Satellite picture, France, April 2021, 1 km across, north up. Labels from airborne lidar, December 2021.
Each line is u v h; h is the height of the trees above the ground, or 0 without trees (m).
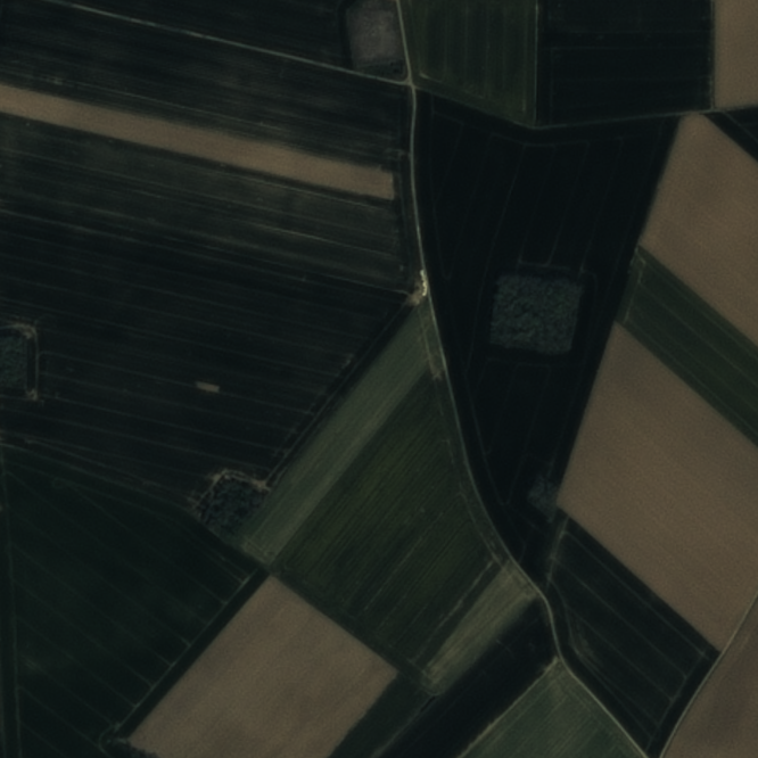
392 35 0
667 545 0
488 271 0
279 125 0
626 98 0
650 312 0
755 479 0
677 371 0
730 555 0
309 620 0
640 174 0
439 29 0
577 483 0
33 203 0
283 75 0
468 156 0
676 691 0
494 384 0
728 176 0
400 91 0
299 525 0
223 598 0
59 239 0
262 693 0
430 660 0
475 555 0
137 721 0
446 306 0
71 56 0
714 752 0
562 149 0
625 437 0
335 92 0
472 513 0
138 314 0
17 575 0
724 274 0
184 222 0
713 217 0
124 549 0
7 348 17
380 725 0
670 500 0
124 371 0
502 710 0
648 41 0
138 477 0
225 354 0
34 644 0
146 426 0
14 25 0
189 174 0
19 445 0
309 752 0
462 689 0
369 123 0
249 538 0
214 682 0
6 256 0
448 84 0
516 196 0
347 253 0
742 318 0
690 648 0
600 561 0
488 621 0
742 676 0
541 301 22
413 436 0
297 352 0
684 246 0
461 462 0
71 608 0
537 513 0
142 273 0
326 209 0
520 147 0
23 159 0
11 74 0
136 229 0
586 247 0
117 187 0
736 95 0
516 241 0
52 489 0
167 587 0
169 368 0
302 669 0
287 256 0
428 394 0
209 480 0
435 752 0
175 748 0
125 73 0
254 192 0
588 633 0
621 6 0
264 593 0
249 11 0
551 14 0
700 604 0
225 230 0
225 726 0
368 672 0
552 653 0
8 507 0
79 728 0
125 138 0
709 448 0
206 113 0
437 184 0
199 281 0
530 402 0
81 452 0
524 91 0
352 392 0
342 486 0
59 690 0
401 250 0
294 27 0
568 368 0
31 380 0
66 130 0
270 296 0
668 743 0
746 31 0
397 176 0
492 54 0
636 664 0
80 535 0
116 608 0
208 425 0
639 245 0
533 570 0
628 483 0
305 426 0
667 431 0
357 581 0
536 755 0
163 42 0
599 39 0
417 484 0
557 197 0
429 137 0
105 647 0
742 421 0
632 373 0
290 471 0
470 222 0
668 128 0
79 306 0
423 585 0
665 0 0
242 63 0
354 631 0
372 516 0
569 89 0
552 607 0
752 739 0
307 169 0
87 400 0
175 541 0
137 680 0
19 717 0
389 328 0
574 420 0
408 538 0
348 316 0
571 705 0
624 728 0
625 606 0
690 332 0
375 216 0
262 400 0
